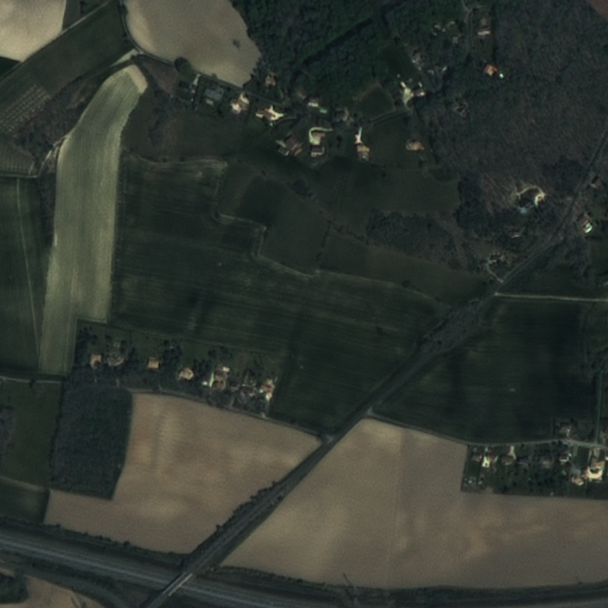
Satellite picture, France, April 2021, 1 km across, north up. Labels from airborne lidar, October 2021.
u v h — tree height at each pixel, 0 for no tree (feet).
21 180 0
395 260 0
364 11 70
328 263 0
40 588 0
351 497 0
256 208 0
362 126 46
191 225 0
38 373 0
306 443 0
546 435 0
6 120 0
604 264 0
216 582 0
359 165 0
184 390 39
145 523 0
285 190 0
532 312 0
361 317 0
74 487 53
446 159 60
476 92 70
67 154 0
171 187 0
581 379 0
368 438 0
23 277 0
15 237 0
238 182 0
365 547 0
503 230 69
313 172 0
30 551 0
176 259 0
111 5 0
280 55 82
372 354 0
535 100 58
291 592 0
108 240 0
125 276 0
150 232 0
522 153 61
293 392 0
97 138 0
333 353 0
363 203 0
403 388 0
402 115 0
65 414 57
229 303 0
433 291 0
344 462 0
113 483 39
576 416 0
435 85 20
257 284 0
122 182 0
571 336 0
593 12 33
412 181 0
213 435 0
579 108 71
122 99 0
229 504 0
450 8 67
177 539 0
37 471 0
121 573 0
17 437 0
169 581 0
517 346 0
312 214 0
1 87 0
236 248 0
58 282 0
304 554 0
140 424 0
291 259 0
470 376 0
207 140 0
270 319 0
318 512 0
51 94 0
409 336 0
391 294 0
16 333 0
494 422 0
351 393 0
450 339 57
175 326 0
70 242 0
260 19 51
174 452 0
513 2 70
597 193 42
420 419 0
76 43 0
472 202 71
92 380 52
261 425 0
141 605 0
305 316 0
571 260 63
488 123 64
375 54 69
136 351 28
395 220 33
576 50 80
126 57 0
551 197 53
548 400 0
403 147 0
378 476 0
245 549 0
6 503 0
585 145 56
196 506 0
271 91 48
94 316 0
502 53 68
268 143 0
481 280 0
